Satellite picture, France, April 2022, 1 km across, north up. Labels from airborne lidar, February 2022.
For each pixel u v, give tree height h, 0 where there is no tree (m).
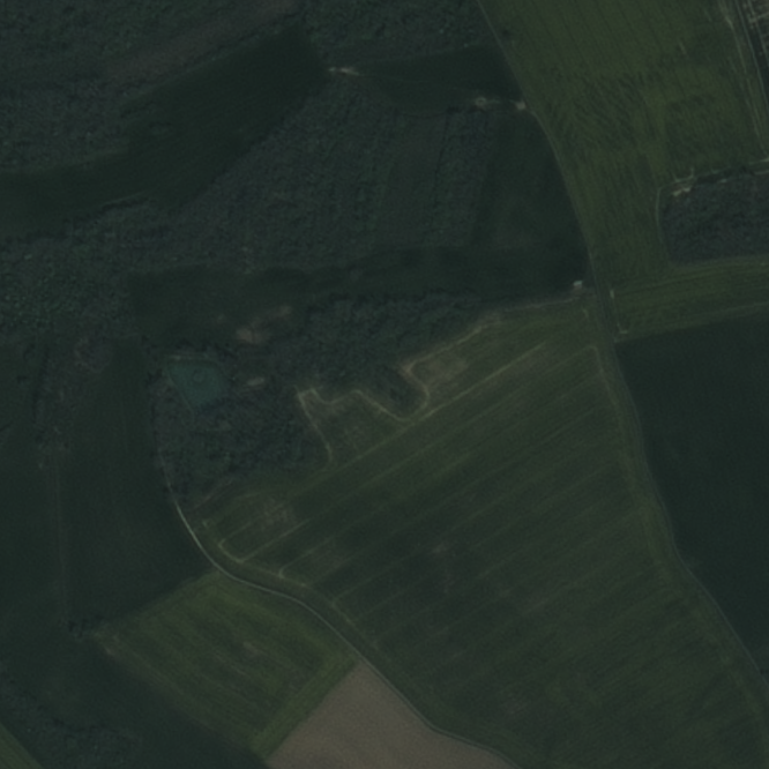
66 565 0
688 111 0
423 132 0
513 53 0
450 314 21
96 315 6
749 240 23
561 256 0
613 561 0
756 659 0
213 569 0
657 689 0
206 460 26
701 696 0
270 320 0
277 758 0
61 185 0
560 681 0
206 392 0
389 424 0
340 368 18
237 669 0
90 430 0
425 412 0
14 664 0
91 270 29
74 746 17
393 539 0
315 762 0
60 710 0
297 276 0
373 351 24
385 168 22
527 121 0
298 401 0
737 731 0
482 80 0
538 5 0
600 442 0
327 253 21
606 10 0
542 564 0
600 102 0
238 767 0
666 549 0
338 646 0
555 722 0
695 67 0
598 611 0
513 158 0
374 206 18
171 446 21
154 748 0
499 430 0
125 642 0
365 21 21
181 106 0
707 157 0
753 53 0
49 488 0
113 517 0
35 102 27
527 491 0
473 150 18
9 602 0
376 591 0
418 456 0
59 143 25
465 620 0
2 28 25
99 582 0
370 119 15
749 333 0
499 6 0
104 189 0
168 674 0
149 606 0
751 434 0
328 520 0
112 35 19
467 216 14
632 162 0
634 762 0
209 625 0
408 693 0
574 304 0
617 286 0
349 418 0
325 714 0
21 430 0
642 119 0
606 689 0
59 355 11
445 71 0
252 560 0
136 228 15
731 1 0
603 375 0
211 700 0
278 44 0
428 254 0
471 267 0
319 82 0
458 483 0
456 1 8
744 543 0
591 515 0
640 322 0
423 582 0
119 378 0
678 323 0
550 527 0
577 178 0
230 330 0
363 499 0
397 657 0
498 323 0
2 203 0
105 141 26
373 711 0
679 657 0
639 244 0
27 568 0
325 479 0
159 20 10
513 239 0
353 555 0
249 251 24
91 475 0
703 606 0
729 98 0
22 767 0
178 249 23
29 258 13
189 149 0
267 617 0
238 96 0
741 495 0
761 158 0
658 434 0
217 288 0
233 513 0
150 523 0
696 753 0
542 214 0
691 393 0
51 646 0
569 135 0
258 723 0
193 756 0
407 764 0
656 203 0
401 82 0
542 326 0
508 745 0
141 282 0
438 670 0
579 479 0
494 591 0
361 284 0
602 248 0
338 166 9
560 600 0
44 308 11
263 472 26
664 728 0
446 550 0
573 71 0
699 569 0
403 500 0
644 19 0
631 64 0
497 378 0
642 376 0
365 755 0
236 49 6
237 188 7
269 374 0
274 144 15
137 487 0
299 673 0
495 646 0
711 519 0
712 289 0
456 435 0
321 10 23
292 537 0
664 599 0
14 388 0
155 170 0
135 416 0
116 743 8
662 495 0
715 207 24
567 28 0
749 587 0
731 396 0
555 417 0
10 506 0
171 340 0
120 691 0
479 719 0
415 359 0
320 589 0
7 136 31
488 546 0
